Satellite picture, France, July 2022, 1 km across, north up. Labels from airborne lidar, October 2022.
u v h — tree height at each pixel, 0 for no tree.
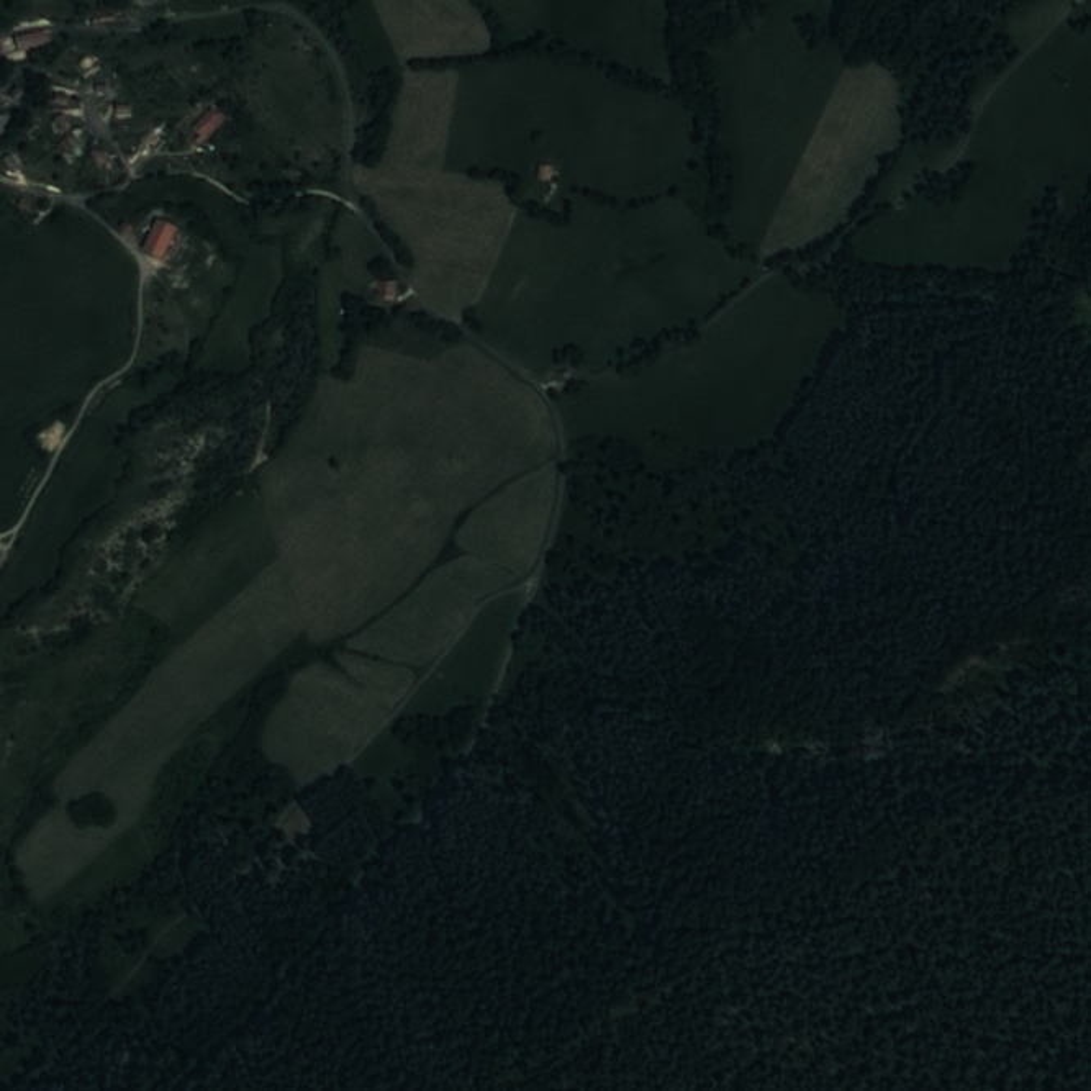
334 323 0
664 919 34
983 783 20
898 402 19
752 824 31
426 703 0
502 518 0
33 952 6
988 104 0
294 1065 37
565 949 29
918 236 0
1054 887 23
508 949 30
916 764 38
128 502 0
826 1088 24
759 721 19
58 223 7
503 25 18
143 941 15
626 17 0
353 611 0
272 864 26
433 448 0
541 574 0
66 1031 27
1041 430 35
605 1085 19
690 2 19
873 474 23
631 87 13
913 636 36
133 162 0
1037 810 18
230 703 0
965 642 26
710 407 0
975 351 31
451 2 0
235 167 10
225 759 8
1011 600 30
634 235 0
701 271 0
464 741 14
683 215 0
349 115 0
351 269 0
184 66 0
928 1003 26
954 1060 24
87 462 0
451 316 0
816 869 20
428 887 36
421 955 34
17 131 6
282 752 0
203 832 26
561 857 7
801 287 18
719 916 30
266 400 7
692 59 18
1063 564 40
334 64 0
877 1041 26
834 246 13
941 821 29
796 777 32
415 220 0
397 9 0
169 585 0
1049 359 27
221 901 20
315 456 0
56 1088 32
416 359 0
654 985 26
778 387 0
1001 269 0
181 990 19
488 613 0
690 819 32
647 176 0
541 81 0
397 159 0
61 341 0
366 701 0
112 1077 32
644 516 6
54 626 0
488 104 0
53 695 0
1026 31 0
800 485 23
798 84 0
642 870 35
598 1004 29
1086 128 0
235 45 10
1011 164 0
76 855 0
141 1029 22
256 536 0
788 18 0
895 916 17
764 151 0
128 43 10
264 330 11
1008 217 0
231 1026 25
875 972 25
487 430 0
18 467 0
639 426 0
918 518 34
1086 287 10
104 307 0
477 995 34
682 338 14
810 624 37
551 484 0
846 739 18
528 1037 32
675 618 33
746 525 9
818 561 5
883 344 20
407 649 0
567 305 0
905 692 25
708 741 23
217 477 8
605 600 20
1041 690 36
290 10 0
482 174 15
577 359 13
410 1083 36
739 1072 13
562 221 20
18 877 16
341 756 0
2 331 0
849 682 34
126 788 0
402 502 0
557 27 0
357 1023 31
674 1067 28
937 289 7
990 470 35
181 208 8
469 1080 37
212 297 0
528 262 0
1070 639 21
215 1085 31
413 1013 39
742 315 0
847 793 24
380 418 0
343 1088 32
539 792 9
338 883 8
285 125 0
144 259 0
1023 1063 35
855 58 18
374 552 0
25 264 0
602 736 39
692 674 19
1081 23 9
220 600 0
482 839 36
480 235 0
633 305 0
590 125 0
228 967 25
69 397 0
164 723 0
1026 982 22
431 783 9
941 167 0
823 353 0
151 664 7
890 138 0
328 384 0
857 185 0
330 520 0
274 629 0
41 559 0
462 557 0
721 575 35
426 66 12
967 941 32
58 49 8
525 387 0
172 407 13
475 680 0
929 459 34
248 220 10
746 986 20
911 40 16
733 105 0
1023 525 41
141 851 0
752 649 33
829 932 25
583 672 23
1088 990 25
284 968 35
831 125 0
